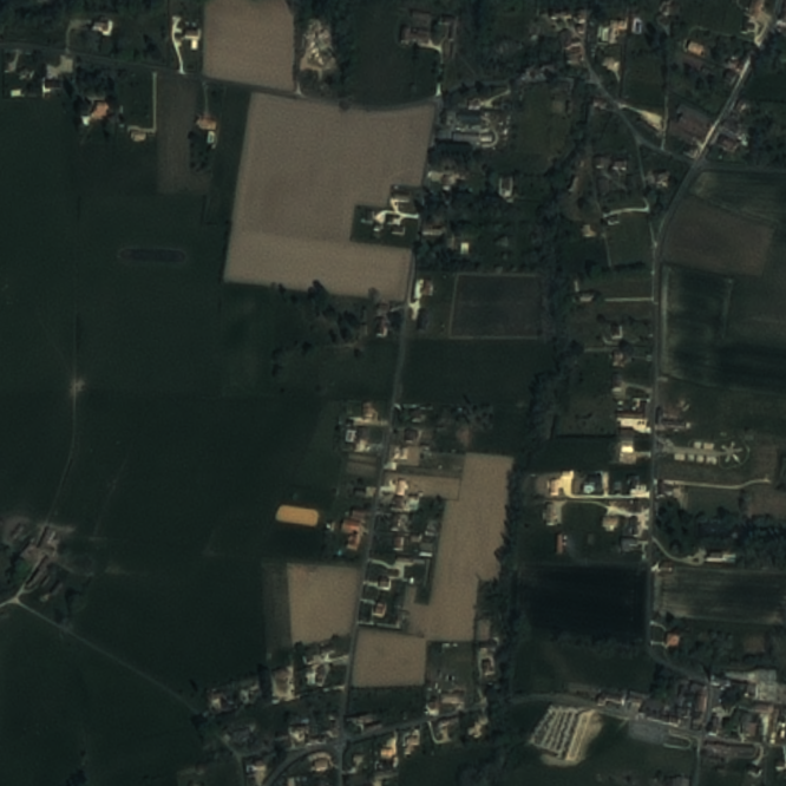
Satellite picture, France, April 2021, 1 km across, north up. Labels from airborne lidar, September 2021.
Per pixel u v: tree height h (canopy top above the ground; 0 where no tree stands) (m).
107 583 0
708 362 0
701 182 0
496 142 0
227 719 9
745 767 0
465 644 0
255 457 0
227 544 0
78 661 0
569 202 15
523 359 0
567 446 0
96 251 0
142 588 0
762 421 0
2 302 0
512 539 14
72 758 0
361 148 0
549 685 0
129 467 0
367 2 15
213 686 0
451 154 7
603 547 0
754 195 0
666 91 13
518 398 0
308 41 0
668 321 0
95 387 0
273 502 0
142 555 0
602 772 0
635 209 0
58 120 0
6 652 0
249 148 0
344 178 0
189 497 0
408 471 0
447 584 0
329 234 0
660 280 0
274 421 0
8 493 0
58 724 0
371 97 0
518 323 0
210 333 0
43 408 0
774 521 11
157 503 0
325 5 19
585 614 0
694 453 0
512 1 27
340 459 0
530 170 0
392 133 0
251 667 0
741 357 0
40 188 0
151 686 0
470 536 0
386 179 0
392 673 0
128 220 0
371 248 0
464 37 18
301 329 0
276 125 0
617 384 0
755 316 0
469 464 0
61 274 0
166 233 0
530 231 11
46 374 0
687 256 0
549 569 0
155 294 0
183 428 0
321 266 0
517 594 0
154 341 0
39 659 0
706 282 0
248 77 0
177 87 0
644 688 0
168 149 0
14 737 0
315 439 0
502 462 0
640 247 0
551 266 17
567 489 0
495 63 20
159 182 0
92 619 0
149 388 0
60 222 0
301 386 0
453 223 8
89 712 0
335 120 0
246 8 0
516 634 26
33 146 0
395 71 0
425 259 12
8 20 29
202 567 0
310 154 0
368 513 12
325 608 0
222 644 0
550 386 14
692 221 0
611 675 0
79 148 0
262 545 0
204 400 0
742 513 12
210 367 0
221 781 0
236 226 0
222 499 0
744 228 0
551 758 0
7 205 0
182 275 0
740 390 0
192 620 0
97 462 0
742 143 0
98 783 0
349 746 10
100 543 0
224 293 0
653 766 0
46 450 0
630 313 0
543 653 0
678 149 6
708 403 0
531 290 0
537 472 0
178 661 0
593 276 19
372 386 0
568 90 6
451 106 10
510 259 9
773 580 0
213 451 0
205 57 0
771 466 0
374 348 0
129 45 25
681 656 18
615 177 8
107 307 0
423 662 0
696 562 0
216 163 0
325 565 0
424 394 0
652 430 0
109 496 0
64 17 21
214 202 0
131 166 0
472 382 0
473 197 12
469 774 20
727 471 0
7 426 0
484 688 13
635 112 0
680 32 7
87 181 0
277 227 0
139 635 0
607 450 0
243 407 0
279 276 0
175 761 0
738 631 0
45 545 0
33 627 0
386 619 7
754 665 7
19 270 0
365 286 0
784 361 0
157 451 0
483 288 0
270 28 0
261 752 17
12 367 0
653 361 0
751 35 0
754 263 0
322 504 0
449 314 0
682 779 0
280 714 0
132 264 0
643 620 0
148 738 0
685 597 0
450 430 0
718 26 0
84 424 0
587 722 0
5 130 0
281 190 0
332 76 0
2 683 0
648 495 0
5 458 0
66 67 0
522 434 0
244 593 0
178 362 0
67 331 0
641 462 0
